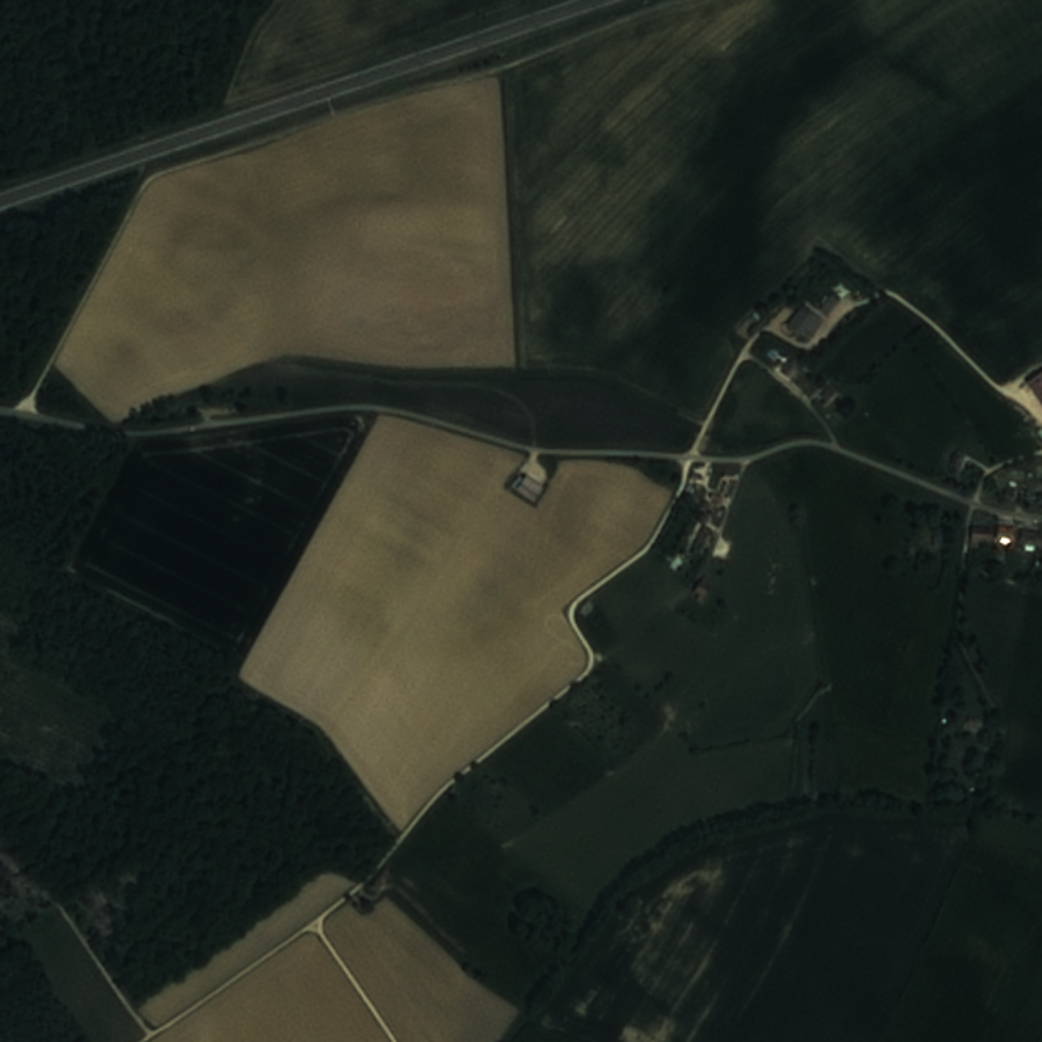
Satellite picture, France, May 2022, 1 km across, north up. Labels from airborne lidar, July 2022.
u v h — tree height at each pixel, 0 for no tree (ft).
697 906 0
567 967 40
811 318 0
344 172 0
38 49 53
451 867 0
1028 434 0
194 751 87
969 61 0
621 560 0
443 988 0
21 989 99
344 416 0
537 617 0
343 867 64
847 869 0
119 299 0
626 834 0
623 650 0
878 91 0
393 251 0
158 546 0
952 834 0
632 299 0
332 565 0
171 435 0
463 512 0
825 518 0
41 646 72
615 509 0
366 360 0
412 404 0
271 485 0
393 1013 0
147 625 38
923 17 0
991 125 0
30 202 0
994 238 0
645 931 0
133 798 84
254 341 0
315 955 0
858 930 0
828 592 0
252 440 0
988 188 0
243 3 66
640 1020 0
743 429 0
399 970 0
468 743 0
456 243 0
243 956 0
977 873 0
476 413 0
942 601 0
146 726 77
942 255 0
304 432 0
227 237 0
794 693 0
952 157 0
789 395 0
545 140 0
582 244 0
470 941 0
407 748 0
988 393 0
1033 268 0
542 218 0
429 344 0
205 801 48
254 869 70
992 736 44
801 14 0
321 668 0
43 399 26
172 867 76
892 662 0
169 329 0
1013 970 0
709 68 0
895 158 0
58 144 77
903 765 0
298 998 0
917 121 0
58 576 67
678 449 0
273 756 84
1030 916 0
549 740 0
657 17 0
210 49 77
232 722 72
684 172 0
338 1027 0
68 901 56
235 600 0
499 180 0
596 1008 0
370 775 0
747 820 63
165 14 62
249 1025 0
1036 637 0
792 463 0
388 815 0
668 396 0
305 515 0
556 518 0
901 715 0
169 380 0
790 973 0
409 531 0
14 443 52
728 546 0
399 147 0
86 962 0
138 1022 0
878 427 0
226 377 0
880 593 0
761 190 0
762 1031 0
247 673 0
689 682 0
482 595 0
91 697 69
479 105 0
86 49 69
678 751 0
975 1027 0
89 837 89
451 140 0
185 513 0
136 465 0
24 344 64
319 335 0
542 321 0
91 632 70
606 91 0
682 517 32
